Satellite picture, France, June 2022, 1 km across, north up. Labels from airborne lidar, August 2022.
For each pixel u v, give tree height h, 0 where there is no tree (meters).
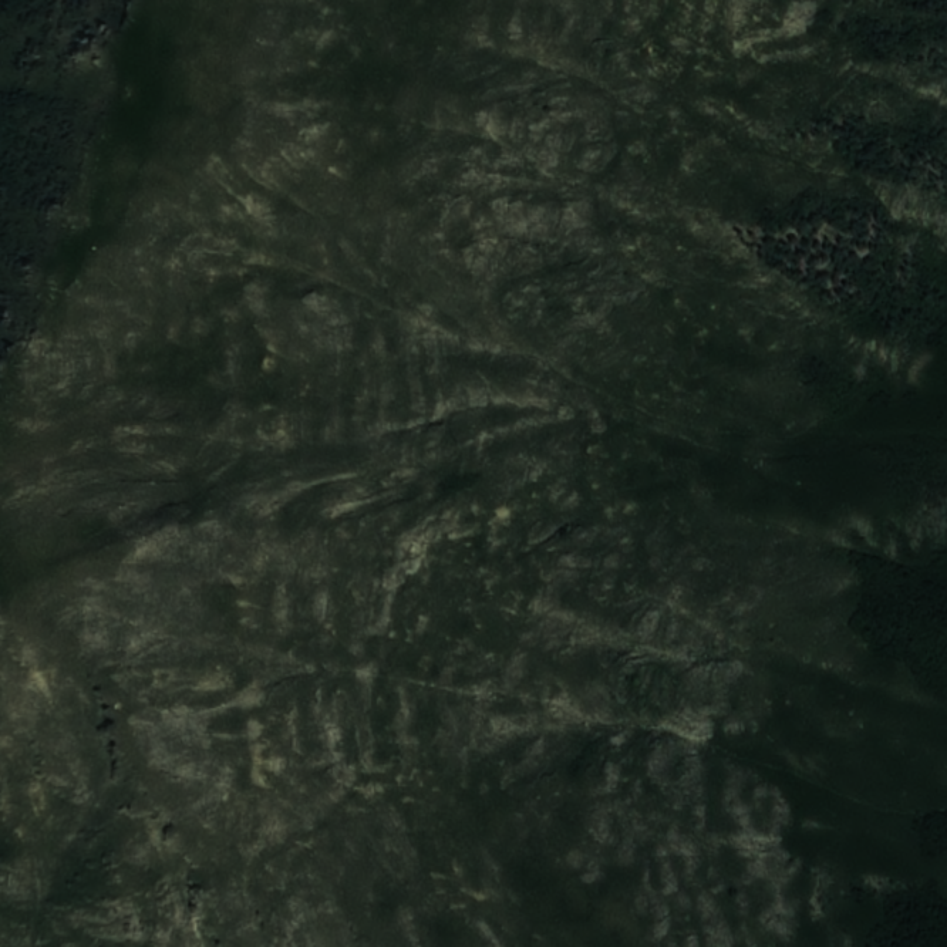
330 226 0
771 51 0
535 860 0
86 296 0
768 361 0
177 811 0
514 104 0
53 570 0
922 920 12
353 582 0
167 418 0
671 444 0
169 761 0
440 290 0
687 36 0
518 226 0
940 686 6
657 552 0
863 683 0
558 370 0
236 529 0
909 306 6
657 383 0
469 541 0
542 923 0
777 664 0
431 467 0
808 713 0
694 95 0
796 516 0
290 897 0
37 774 7
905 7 7
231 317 0
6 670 0
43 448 0
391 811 0
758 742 0
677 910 0
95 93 0
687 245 0
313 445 0
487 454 0
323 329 0
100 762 0
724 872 0
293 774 0
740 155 0
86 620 0
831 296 27
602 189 0
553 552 0
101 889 0
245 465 0
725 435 0
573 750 0
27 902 0
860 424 0
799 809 0
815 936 0
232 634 0
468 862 0
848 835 0
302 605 0
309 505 0
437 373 0
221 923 0
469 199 0
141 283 0
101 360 0
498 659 0
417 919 0
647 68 0
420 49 0
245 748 0
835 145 9
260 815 0
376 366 0
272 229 0
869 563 12
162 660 0
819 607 0
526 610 0
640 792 0
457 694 0
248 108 0
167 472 0
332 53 0
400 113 0
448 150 0
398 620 0
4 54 0
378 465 0
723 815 0
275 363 0
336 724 0
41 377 0
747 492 0
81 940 0
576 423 0
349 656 0
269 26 0
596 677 0
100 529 0
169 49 0
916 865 0
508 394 0
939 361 0
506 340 0
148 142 0
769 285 0
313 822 0
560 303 0
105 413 0
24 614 0
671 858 0
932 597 12
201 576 0
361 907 0
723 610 0
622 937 0
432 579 0
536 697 0
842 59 0
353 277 0
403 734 0
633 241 0
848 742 0
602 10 0
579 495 0
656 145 0
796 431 0
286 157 0
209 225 0
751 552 0
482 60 0
